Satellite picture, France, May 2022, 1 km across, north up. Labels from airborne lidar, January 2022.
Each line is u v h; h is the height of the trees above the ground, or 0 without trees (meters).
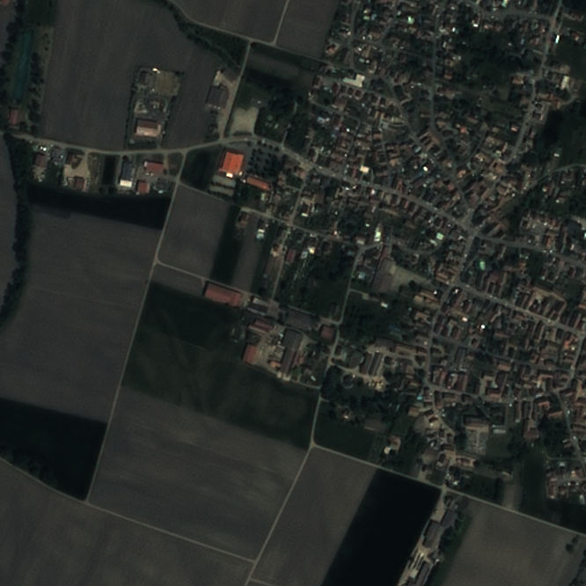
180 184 0
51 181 0
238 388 0
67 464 0
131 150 0
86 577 0
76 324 0
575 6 33
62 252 0
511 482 0
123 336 0
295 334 0
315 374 0
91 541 0
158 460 0
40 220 0
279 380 0
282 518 0
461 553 0
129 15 0
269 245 0
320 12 0
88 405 0
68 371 0
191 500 0
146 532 0
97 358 0
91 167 0
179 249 0
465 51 13
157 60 0
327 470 0
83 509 0
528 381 0
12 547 0
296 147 0
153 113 0
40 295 0
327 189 12
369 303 0
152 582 0
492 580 0
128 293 0
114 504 0
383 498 0
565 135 0
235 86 0
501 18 0
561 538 0
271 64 0
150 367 0
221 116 0
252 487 0
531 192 6
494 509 0
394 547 0
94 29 0
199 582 0
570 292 0
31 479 0
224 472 0
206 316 0
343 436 0
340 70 0
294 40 0
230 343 0
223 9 0
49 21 0
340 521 0
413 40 13
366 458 0
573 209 9
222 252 0
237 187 10
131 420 0
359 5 0
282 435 0
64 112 0
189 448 0
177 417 0
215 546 0
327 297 0
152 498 0
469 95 0
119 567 0
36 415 0
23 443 0
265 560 0
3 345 0
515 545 0
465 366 0
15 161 13
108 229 0
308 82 0
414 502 0
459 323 0
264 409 0
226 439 0
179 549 0
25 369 0
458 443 13
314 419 0
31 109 16
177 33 0
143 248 0
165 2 9
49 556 0
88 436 0
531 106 0
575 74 0
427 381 0
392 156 0
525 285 0
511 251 0
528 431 0
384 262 0
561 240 0
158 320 0
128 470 0
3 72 15
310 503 0
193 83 0
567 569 0
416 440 9
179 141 0
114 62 0
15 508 0
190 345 0
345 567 0
